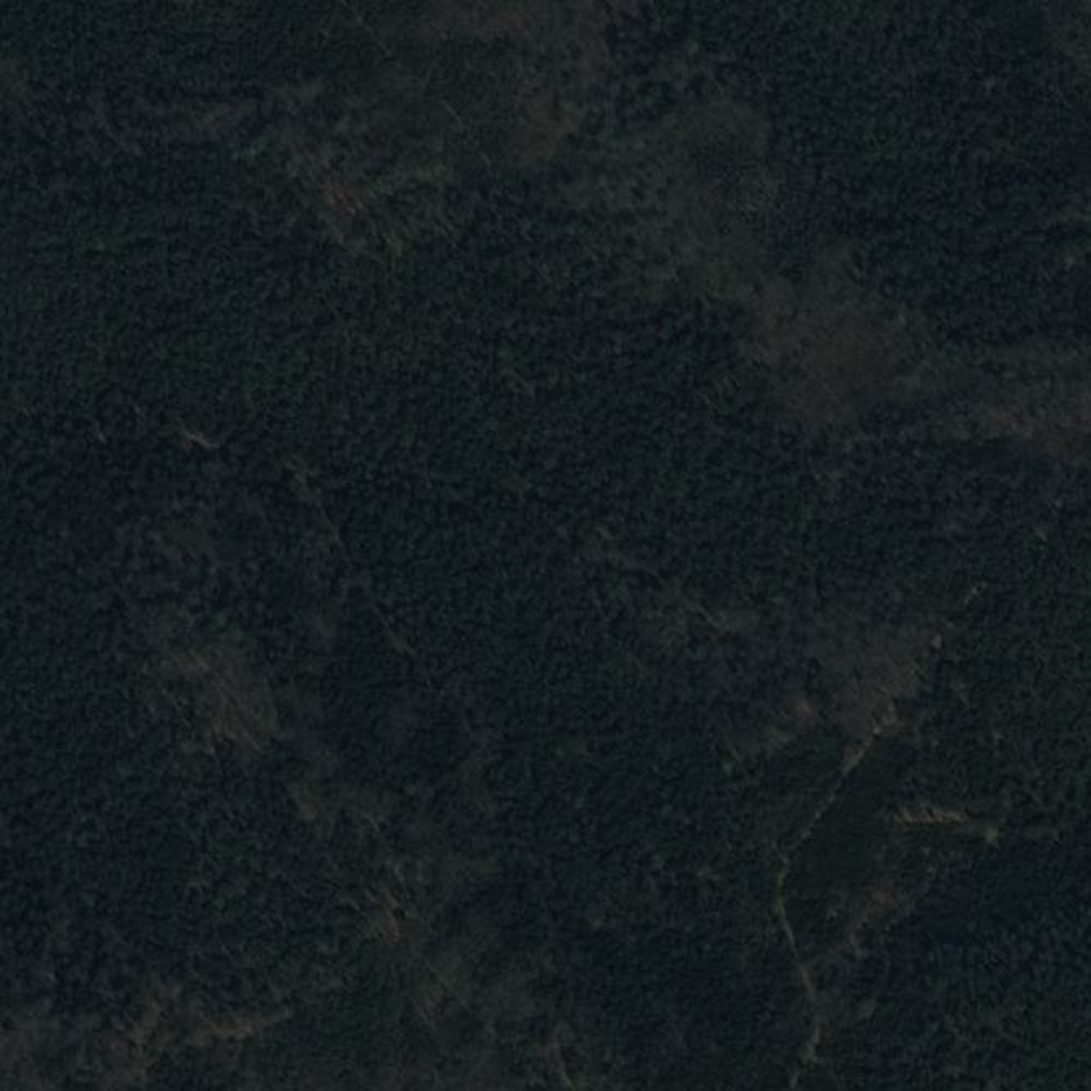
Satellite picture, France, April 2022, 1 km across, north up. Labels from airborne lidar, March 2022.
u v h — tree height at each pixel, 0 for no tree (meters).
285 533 32
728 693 26
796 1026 15
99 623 23
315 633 22
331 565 35
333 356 19
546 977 21
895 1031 9
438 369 10
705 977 19
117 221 27
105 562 27
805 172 23
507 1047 12
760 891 11
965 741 31
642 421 19
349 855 29
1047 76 26
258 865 23
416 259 24
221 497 33
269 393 25
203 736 29
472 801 26
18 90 18
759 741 26
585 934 21
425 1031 11
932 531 24
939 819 24
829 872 9
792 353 13
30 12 27
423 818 29
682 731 23
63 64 32
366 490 26
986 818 5
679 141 24
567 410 24
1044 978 33
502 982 20
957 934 11
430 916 26
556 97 18
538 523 22
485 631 18
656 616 30
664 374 24
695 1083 24
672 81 37
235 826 24
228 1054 8
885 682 26
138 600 23
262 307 28
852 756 23
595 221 13
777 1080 17
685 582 27
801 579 20
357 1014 12
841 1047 10
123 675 28
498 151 10
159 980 30
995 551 28
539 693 21
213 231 17
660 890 10
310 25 10
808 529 24
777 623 30
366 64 11
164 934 25
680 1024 17
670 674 25
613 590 27
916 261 28
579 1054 15
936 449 10
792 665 27
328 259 9
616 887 22
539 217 8
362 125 17
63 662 20
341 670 22
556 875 19
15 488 9
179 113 36
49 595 24
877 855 8
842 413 13
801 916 7
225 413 26
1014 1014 24
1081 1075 24
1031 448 9
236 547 24
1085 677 22
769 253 26
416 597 23
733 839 16
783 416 17
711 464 8
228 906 18
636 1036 22
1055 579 24
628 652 24
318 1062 11
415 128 12
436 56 10
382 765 22
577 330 9
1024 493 10
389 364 23
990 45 10
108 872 22
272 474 32
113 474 32
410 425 27
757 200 23
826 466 27
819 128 30
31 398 26
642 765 24
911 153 21
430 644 31
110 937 26
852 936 8
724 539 21
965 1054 20
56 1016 17
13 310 26
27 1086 12
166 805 20
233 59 10
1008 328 30
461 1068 12
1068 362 29
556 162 7
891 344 17
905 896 15
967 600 9
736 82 36
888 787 11
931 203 28
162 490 29
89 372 32
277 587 21
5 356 32
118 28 21
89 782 18
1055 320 9
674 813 18
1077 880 15
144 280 29
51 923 35
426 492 33
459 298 24
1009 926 11
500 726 28
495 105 7
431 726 34
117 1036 19
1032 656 25
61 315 27
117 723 23
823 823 8
